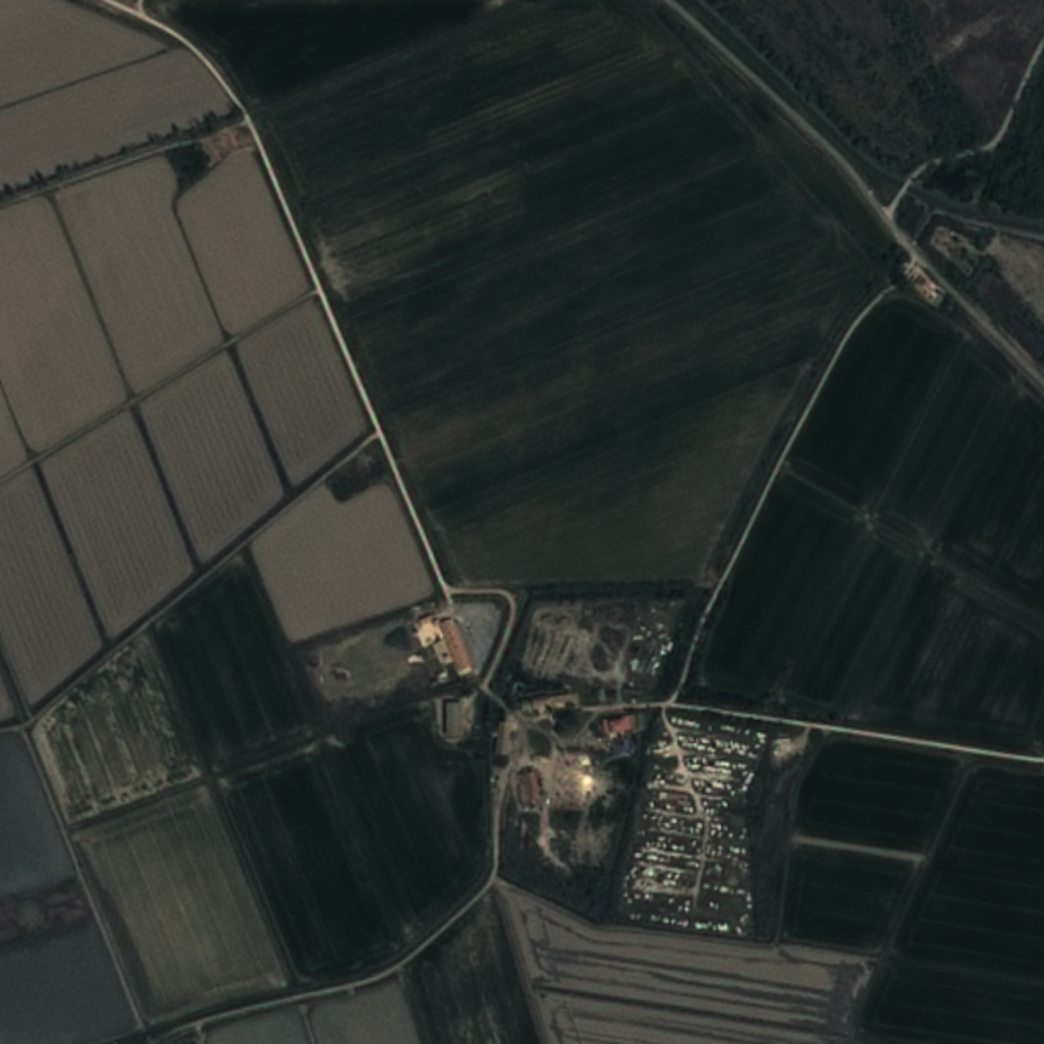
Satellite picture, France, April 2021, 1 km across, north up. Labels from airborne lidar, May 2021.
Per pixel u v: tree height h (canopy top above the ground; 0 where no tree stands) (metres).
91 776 0
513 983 0
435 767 0
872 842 0
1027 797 0
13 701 0
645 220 0
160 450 0
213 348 0
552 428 0
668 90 0
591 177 0
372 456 0
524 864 0
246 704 0
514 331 0
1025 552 0
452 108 0
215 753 0
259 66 0
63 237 0
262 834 0
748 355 0
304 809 0
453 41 0
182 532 0
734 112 0
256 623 0
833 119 6
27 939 0
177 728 0
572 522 0
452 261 0
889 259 10
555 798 0
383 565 0
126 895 0
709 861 0
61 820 0
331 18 0
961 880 0
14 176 0
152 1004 0
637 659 0
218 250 0
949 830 0
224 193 0
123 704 0
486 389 0
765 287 0
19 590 0
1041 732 0
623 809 0
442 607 0
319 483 0
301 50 0
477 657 0
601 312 0
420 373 0
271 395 0
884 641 0
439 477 0
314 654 0
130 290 0
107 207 0
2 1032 0
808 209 0
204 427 0
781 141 0
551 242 0
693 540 0
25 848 0
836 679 0
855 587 0
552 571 0
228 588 0
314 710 0
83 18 0
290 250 0
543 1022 0
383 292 0
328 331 0
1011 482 0
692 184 0
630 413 0
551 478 0
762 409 0
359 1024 0
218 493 0
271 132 0
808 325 0
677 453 0
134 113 0
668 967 0
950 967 0
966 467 0
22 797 0
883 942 0
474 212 0
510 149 0
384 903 0
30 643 0
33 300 0
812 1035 0
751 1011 0
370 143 0
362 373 0
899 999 0
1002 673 0
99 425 0
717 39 0
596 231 0
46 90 0
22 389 0
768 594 0
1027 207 9
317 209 0
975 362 0
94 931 0
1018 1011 0
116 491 0
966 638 0
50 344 0
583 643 0
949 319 6
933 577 0
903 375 0
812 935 0
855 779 0
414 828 0
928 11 0
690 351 0
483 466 0
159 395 0
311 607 0
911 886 0
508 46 0
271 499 0
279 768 0
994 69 0
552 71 0
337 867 0
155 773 0
